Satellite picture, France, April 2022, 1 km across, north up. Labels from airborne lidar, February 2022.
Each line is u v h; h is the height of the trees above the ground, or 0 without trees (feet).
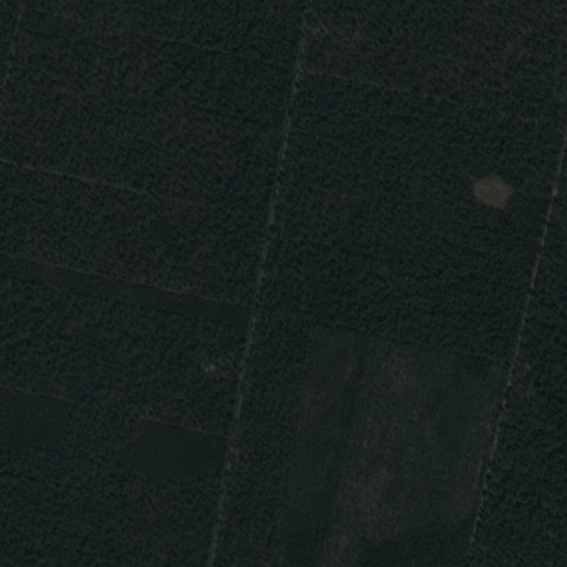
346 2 68
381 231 57
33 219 25
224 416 58
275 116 56
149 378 52
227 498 54
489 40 57
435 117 47
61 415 22
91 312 55
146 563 58
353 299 62
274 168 28
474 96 52
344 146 61
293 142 56
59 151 35
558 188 55
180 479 57
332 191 59
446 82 57
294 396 52
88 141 47
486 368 41
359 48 58
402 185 56
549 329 60
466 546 35
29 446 25
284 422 48
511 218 42
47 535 49
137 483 62
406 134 48
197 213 48
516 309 54
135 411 47
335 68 56
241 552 49
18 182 53
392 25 57
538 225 32
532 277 59
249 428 43
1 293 66
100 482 44
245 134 58
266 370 48
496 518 33
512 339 60
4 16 39
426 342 39
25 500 46
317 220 21
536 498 40
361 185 59
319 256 57
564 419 56
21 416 21
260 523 52
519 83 60
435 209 66
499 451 54
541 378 58
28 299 59
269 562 48
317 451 31
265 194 60
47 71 50
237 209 53
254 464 47
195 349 52
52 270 17
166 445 19
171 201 49
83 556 50
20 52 52
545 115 61
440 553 47
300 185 61
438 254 66
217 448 18
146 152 47
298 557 39
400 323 50
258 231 54
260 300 46
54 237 64
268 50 50
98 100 52
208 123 54
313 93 55
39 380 58
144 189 54
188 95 44
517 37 56
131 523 51
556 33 63
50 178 50
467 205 58
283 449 43
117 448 53
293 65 52
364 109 67
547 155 64
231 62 56
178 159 43
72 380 27
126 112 42
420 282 59
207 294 50
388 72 44
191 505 55
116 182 32
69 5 45
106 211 52
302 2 53
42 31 20
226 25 58
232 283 41
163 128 52
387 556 46
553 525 57
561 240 28
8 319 52
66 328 46
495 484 51
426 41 61
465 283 62
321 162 67
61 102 45
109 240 59
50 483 45
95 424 60
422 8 60
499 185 0
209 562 48
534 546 61
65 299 42
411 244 59
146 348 54
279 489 48
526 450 63
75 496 59
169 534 53
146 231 52
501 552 55
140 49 36
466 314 21
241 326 31
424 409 31
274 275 58
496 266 49
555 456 55
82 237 57
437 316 51
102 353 42
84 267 59
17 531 35
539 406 61
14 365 54
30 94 54
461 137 38
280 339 55
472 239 50
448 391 32
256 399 58
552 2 58
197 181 52
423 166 51
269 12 52
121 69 35
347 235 49
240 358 62
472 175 52
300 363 43
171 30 58
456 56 59
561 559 60
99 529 42
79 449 35
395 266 60
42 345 55
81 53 43
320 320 30
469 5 50
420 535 27
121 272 54
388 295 26
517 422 51
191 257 47
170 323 60
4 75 58
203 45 57
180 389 61
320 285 27
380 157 65
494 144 52
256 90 33
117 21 56
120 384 29
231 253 49
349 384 26
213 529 48
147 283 23
